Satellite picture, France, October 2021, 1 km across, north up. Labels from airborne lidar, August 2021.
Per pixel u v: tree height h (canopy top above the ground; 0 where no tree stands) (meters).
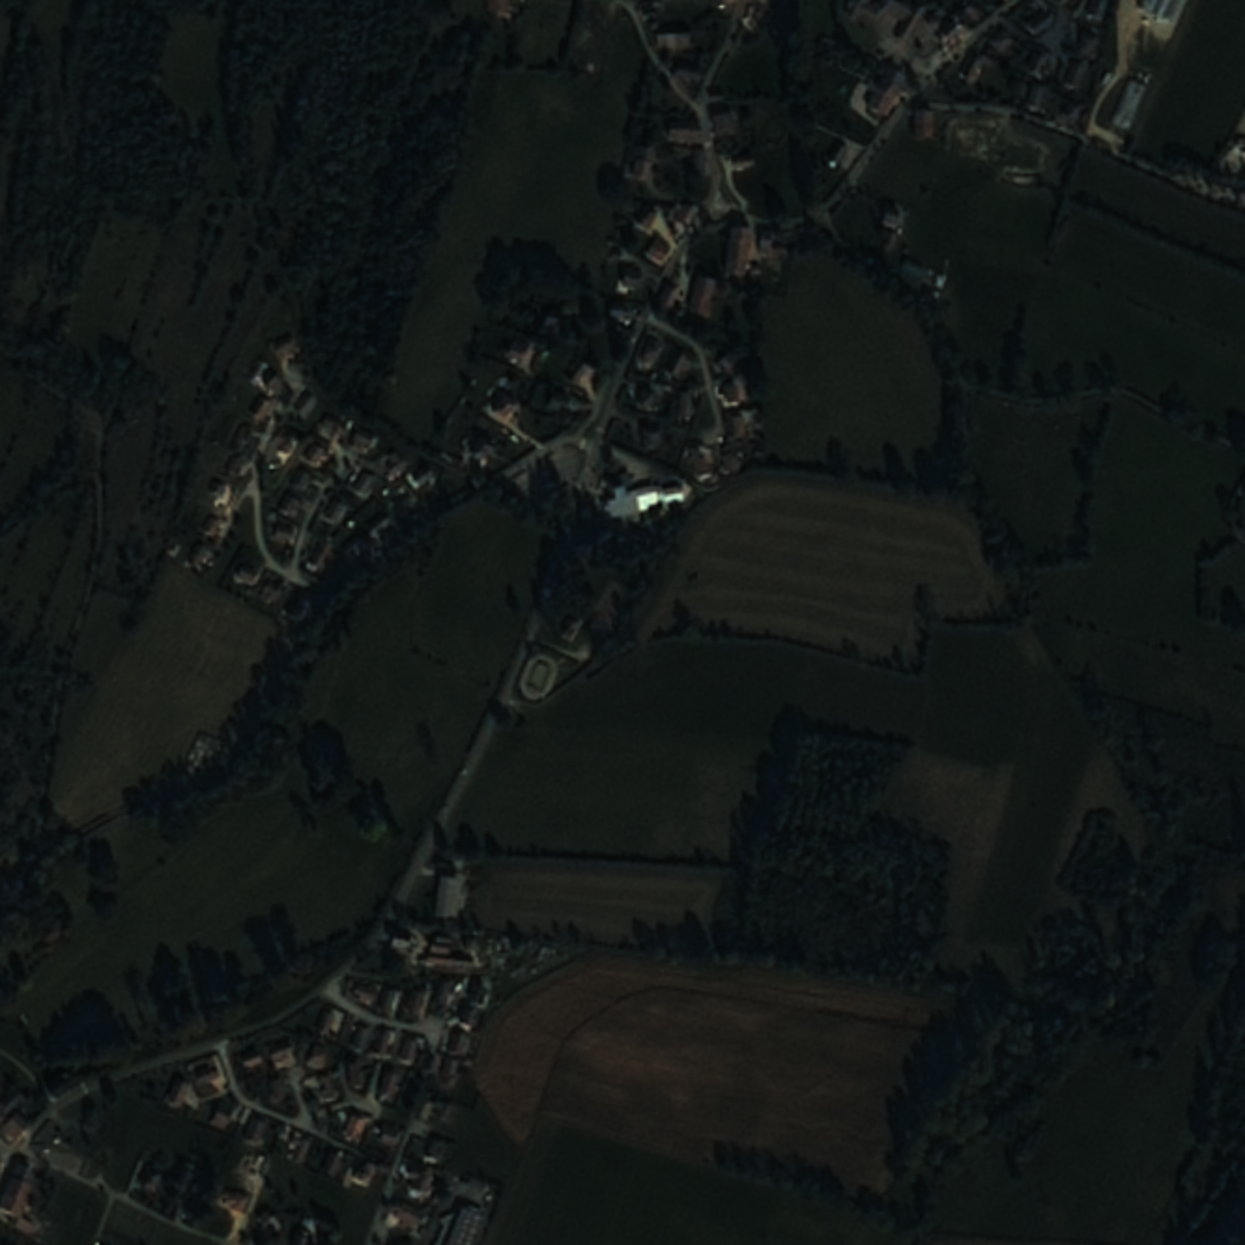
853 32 0
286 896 0
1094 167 0
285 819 0
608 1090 0
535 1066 0
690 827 0
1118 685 0
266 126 0
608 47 0
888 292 17
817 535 0
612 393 0
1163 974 0
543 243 0
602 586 0
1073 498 0
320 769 27
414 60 15
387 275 25
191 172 11
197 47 0
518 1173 0
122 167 9
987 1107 5
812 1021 0
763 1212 0
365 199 18
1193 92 0
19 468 0
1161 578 0
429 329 0
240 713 0
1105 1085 0
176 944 0
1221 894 0
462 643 0
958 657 0
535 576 0
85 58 10
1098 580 0
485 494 13
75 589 0
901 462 0
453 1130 0
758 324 13
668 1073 0
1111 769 0
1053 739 0
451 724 0
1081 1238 0
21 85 20
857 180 0
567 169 0
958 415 19
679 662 0
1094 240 0
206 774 0
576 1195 0
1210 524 0
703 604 0
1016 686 0
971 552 0
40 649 10
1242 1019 22
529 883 0
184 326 0
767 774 0
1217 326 0
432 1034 0
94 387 10
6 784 9
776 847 26
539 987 0
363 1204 0
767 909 6
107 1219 0
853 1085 0
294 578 0
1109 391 17
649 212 0
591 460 0
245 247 0
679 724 0
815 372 0
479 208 0
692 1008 0
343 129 25
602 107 0
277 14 19
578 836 0
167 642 0
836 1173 0
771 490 0
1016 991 0
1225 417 0
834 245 8
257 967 0
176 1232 0
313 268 19
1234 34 0
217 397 12
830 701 0
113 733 0
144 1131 0
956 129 0
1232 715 0
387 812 0
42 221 8
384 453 6
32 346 14
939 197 0
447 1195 12
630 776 0
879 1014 0
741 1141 0
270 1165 0
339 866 0
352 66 20
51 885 23
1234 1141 13
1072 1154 0
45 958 10
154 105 8
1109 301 0
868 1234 0
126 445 0
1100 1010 26
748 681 0
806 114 19
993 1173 0
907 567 0
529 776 0
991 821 0
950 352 15
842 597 0
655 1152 0
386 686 0
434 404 0
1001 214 0
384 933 0
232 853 0
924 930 27
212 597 0
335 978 0
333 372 16
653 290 0
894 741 7
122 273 0
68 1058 20
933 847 16
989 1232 0
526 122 0
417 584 0
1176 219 0
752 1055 0
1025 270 0
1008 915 0
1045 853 0
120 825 0
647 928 0
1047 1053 25
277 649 0
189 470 14
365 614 0
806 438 0
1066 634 0
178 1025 27
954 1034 0
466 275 0
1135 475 0
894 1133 0
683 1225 0
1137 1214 0
